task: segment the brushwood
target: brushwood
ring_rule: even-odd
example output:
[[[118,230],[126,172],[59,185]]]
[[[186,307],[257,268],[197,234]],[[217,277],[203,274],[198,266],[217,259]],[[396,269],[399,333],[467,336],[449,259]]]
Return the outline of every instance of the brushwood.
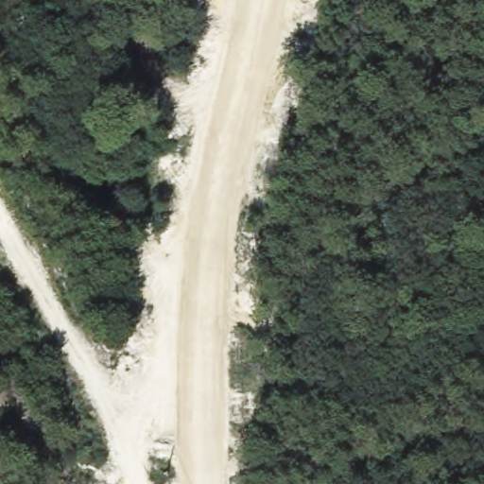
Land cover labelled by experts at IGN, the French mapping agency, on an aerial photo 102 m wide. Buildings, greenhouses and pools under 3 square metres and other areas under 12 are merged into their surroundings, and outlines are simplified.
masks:
[[[146,129],[134,130],[129,142],[112,153],[100,151],[96,146],[95,136],[91,136],[91,132],[81,123],[81,115],[89,112],[87,100],[95,91],[96,85],[108,89],[113,85],[127,87],[129,83],[134,83],[134,93],[140,93],[142,100],[149,100],[153,96],[155,89],[164,81],[153,70],[147,68],[146,60],[161,57],[168,66],[168,78],[180,79],[181,76],[189,76],[193,70],[193,57],[199,49],[200,40],[208,30],[208,11],[199,11],[199,9],[193,8],[181,8],[181,6],[178,6],[164,13],[168,26],[164,40],[161,40],[161,51],[147,49],[142,43],[134,42],[134,38],[130,38],[125,47],[110,45],[106,49],[98,49],[91,45],[89,38],[93,38],[91,23],[102,21],[102,17],[89,9],[89,4],[98,0],[79,0],[72,2],[68,9],[49,9],[43,17],[36,17],[15,40],[6,43],[4,36],[0,34],[0,199],[4,200],[9,214],[15,219],[15,225],[23,234],[26,244],[36,246],[40,253],[49,285],[53,287],[68,320],[78,327],[89,342],[106,344],[108,348],[123,348],[134,335],[144,310],[142,289],[146,284],[146,278],[140,272],[140,255],[147,240],[147,223],[153,227],[155,233],[161,234],[168,227],[172,216],[172,202],[163,202],[157,195],[149,195],[149,178],[159,168],[159,159],[164,155],[170,155],[176,149],[176,140],[168,138],[168,132],[176,125],[176,110],[159,110],[159,119],[153,125]]]
[[[267,459],[261,456],[261,444],[257,442],[259,439],[251,437],[251,433],[257,427],[253,427],[253,423],[250,422],[231,423],[231,433],[236,439],[240,439],[240,456],[238,473],[229,478],[229,484],[314,484],[314,480],[302,478],[297,469],[289,469],[289,473],[282,476],[267,475]]]
[[[293,380],[301,380],[299,369],[289,369],[282,365],[284,357],[276,350],[284,346],[293,346],[299,340],[297,333],[276,335],[270,327],[270,323],[274,323],[276,318],[270,310],[263,267],[268,255],[265,225],[270,225],[270,202],[255,199],[250,206],[244,206],[238,216],[248,223],[248,231],[255,234],[257,244],[250,268],[246,272],[246,280],[255,284],[250,291],[253,299],[251,314],[255,320],[255,327],[250,327],[246,323],[236,323],[234,327],[234,335],[238,340],[233,342],[229,350],[229,384],[240,393],[255,395],[261,391],[265,382],[289,384]]]
[[[85,386],[79,380],[78,372],[72,369],[68,371],[68,388],[72,393],[72,403],[78,410],[78,427],[70,427],[66,422],[53,422],[49,416],[38,414],[34,406],[26,403],[23,388],[6,388],[0,391],[0,406],[15,406],[19,403],[23,408],[23,420],[38,423],[42,427],[45,444],[49,448],[59,448],[62,456],[59,463],[53,463],[51,467],[47,463],[40,465],[36,461],[36,454],[30,452],[23,442],[0,441],[0,484],[98,484],[91,471],[78,469],[78,463],[93,463],[96,467],[102,467],[108,461],[110,452],[106,433],[96,414],[95,406],[87,399]]]

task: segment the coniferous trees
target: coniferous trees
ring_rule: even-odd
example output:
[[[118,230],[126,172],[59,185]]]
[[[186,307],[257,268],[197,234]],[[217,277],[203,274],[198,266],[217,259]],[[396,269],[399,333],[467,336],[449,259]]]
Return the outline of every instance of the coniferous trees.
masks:
[[[68,388],[68,371],[72,369],[68,363],[68,355],[62,350],[64,335],[60,331],[53,331],[45,323],[30,289],[19,284],[11,267],[6,267],[0,261],[0,391],[6,388],[23,388],[26,403],[34,406],[38,414],[49,416],[53,422],[66,422],[70,427],[78,427],[78,410],[72,403],[72,393]]]
[[[378,418],[369,410],[363,410],[359,403],[346,401],[335,389],[323,388],[316,382],[308,384],[301,380],[293,380],[289,384],[265,382],[261,391],[255,395],[255,408],[250,422],[253,423],[253,427],[257,427],[251,433],[251,437],[259,439],[257,442],[261,444],[261,456],[267,459],[267,475],[282,476],[289,473],[289,469],[297,469],[302,478],[314,480],[314,484],[335,484],[337,480],[348,480],[354,476],[371,480],[371,465],[376,465],[380,471],[386,471],[403,461],[408,465],[408,471],[414,471],[414,480],[410,484],[484,484],[484,354],[467,352],[461,355],[454,365],[446,367],[446,372],[435,374],[420,388],[422,395],[416,397],[416,393],[405,393],[389,399],[386,412]]]
[[[161,40],[164,40],[168,26],[164,13],[178,6],[178,4],[176,4],[176,0],[98,0],[89,4],[89,9],[102,17],[102,21],[91,23],[93,38],[89,38],[91,45],[98,49],[106,49],[110,45],[125,47],[130,38],[134,38],[134,42],[142,43],[147,49],[161,51]]]
[[[372,244],[388,242],[384,216],[393,210],[401,193],[422,187],[425,180],[458,180],[463,174],[461,163],[471,157],[478,157],[484,164],[484,0],[342,0],[338,2],[337,9],[331,9],[331,23],[321,25],[318,19],[314,21],[314,25],[318,26],[316,42],[320,45],[320,51],[316,55],[308,53],[308,57],[299,64],[299,74],[293,78],[295,85],[301,87],[301,96],[299,104],[289,108],[282,127],[276,159],[276,163],[280,164],[280,174],[276,178],[276,185],[272,187],[270,202],[270,225],[265,225],[268,255],[263,267],[270,310],[276,318],[274,323],[270,323],[270,327],[276,335],[297,333],[301,331],[302,285],[308,285],[306,274],[310,274],[314,268],[312,257],[318,259],[321,265],[335,265],[335,274],[342,274],[344,280],[361,278],[361,270],[369,274],[384,272],[388,268],[386,259],[374,253]]]
[[[142,100],[140,93],[134,93],[134,83],[129,83],[127,87],[113,85],[108,89],[96,85],[95,91],[87,100],[89,112],[81,115],[81,123],[91,132],[91,136],[95,136],[96,146],[100,151],[112,153],[129,142],[134,130],[146,129],[153,125],[159,119],[159,110],[157,98],[153,96],[149,100]]]
[[[42,427],[38,423],[23,420],[23,408],[19,403],[15,406],[0,406],[0,441],[23,442],[30,452],[36,454],[36,461],[40,465],[47,463],[51,467],[53,463],[59,463],[62,456],[59,448],[49,448],[45,444]]]

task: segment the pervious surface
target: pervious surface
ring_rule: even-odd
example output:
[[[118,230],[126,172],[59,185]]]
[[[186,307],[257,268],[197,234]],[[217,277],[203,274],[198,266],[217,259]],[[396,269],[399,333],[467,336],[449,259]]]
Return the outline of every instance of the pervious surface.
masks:
[[[11,267],[19,284],[30,289],[45,323],[53,331],[60,331],[64,335],[62,350],[68,355],[68,363],[72,369],[78,372],[79,380],[85,386],[87,399],[95,406],[96,414],[106,433],[110,452],[108,461],[102,467],[96,467],[93,463],[78,463],[78,469],[91,471],[98,484],[151,484],[149,456],[168,459],[172,463],[176,475],[168,484],[229,484],[229,478],[238,473],[240,456],[240,439],[236,439],[231,433],[231,423],[250,422],[255,408],[255,395],[240,393],[229,384],[229,350],[233,342],[238,340],[234,335],[234,327],[236,323],[246,323],[250,327],[255,327],[255,320],[251,314],[253,299],[250,291],[255,284],[246,280],[246,272],[250,268],[257,244],[255,234],[248,231],[248,223],[238,216],[244,206],[250,206],[255,199],[270,202],[272,187],[276,185],[276,178],[280,174],[280,164],[276,163],[276,159],[282,127],[289,108],[299,104],[301,96],[301,87],[295,85],[293,78],[299,74],[299,64],[308,57],[308,53],[316,55],[320,51],[320,45],[316,42],[318,26],[314,25],[314,21],[318,19],[321,25],[331,23],[331,9],[337,9],[338,2],[342,0],[208,0],[208,11],[208,30],[200,40],[199,49],[193,57],[193,70],[189,76],[181,76],[180,79],[168,78],[168,66],[161,57],[146,60],[147,68],[153,70],[164,81],[155,89],[153,96],[157,98],[159,110],[176,110],[176,125],[168,132],[168,138],[176,140],[176,149],[170,155],[164,155],[159,159],[159,168],[149,178],[149,195],[157,195],[163,202],[172,202],[172,216],[168,227],[161,234],[155,233],[153,227],[147,223],[147,240],[140,255],[140,272],[146,278],[146,284],[142,289],[144,310],[134,335],[123,348],[108,348],[106,344],[89,342],[78,327],[68,320],[53,287],[49,285],[40,253],[36,246],[26,244],[23,234],[15,225],[15,219],[9,214],[4,200],[0,199],[0,261],[6,267]]]

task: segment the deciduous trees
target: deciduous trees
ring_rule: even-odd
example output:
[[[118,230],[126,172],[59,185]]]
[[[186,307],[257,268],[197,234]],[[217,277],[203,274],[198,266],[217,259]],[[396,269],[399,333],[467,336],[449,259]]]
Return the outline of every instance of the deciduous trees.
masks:
[[[323,388],[335,389],[346,401],[359,403],[363,410],[369,410],[378,418],[386,412],[389,399],[405,393],[416,393],[416,397],[422,395],[420,388],[435,374],[446,372],[446,367],[454,365],[461,355],[467,352],[484,354],[484,164],[478,157],[471,157],[461,163],[463,174],[458,180],[425,180],[422,187],[401,193],[393,210],[384,216],[388,242],[372,244],[374,253],[386,259],[388,268],[384,272],[369,274],[361,270],[361,278],[344,280],[342,274],[335,274],[335,265],[321,265],[318,259],[312,257],[314,268],[310,274],[306,274],[308,285],[302,285],[301,331],[297,333],[299,340],[293,346],[284,346],[276,350],[284,357],[282,365],[289,369],[299,369],[301,380],[308,384],[316,382]]]
[[[376,465],[371,465],[371,480],[354,476],[348,480],[337,480],[335,484],[410,484],[414,480],[414,471],[408,471],[408,465],[403,461],[386,471],[380,471]]]

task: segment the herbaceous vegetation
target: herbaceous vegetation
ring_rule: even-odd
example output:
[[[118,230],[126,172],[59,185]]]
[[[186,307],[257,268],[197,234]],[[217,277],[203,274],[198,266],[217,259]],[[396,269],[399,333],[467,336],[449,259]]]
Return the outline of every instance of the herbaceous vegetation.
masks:
[[[15,40],[36,17],[43,17],[49,9],[68,9],[72,2],[79,0],[0,0],[0,34],[4,36],[6,43]]]
[[[176,0],[176,4],[178,4],[178,6],[181,6],[181,8],[193,8],[199,9],[199,11],[208,11],[208,0]]]
[[[176,475],[172,463],[168,459],[149,456],[151,484],[168,484]]]

